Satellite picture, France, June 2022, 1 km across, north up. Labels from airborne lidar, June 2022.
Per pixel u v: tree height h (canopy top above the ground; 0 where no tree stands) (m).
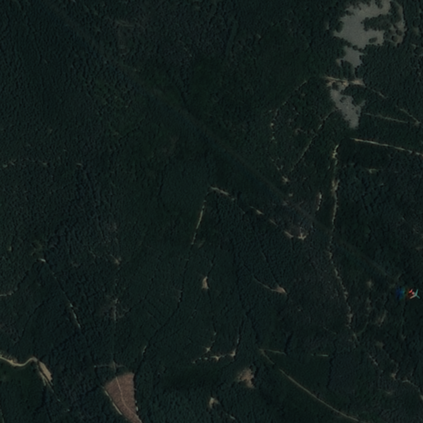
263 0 20
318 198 11
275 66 21
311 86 17
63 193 20
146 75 18
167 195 22
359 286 10
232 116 8
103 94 10
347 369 23
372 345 21
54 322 23
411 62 15
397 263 23
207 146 28
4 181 19
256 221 12
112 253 12
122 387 0
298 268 12
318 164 20
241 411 34
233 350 21
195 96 21
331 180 17
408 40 26
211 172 30
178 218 21
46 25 19
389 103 16
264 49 21
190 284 21
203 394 25
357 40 0
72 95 22
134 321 26
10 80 22
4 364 15
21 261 19
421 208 13
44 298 21
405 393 15
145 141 21
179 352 24
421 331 20
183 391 30
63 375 12
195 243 6
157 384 27
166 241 12
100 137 14
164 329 27
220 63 17
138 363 19
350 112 0
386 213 31
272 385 29
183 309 24
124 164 13
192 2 17
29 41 19
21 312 19
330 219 20
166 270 21
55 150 16
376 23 8
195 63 16
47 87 20
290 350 28
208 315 19
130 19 16
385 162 20
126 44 9
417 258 17
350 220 18
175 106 22
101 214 23
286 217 12
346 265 13
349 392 19
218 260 25
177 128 19
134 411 0
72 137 17
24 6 17
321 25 23
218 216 16
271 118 10
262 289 29
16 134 18
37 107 21
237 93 7
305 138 20
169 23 14
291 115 18
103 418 29
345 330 17
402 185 20
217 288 19
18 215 6
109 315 12
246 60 10
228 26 16
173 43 16
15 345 12
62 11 21
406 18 19
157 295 21
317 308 12
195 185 25
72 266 19
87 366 19
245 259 32
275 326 15
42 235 16
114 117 17
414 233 17
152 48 8
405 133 12
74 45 19
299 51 26
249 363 24
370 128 14
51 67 18
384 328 23
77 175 18
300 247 19
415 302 26
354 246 15
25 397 25
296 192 18
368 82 15
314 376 7
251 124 25
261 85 14
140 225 15
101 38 20
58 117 14
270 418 27
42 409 20
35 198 20
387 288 20
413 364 25
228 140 12
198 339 24
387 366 11
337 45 22
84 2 20
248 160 14
